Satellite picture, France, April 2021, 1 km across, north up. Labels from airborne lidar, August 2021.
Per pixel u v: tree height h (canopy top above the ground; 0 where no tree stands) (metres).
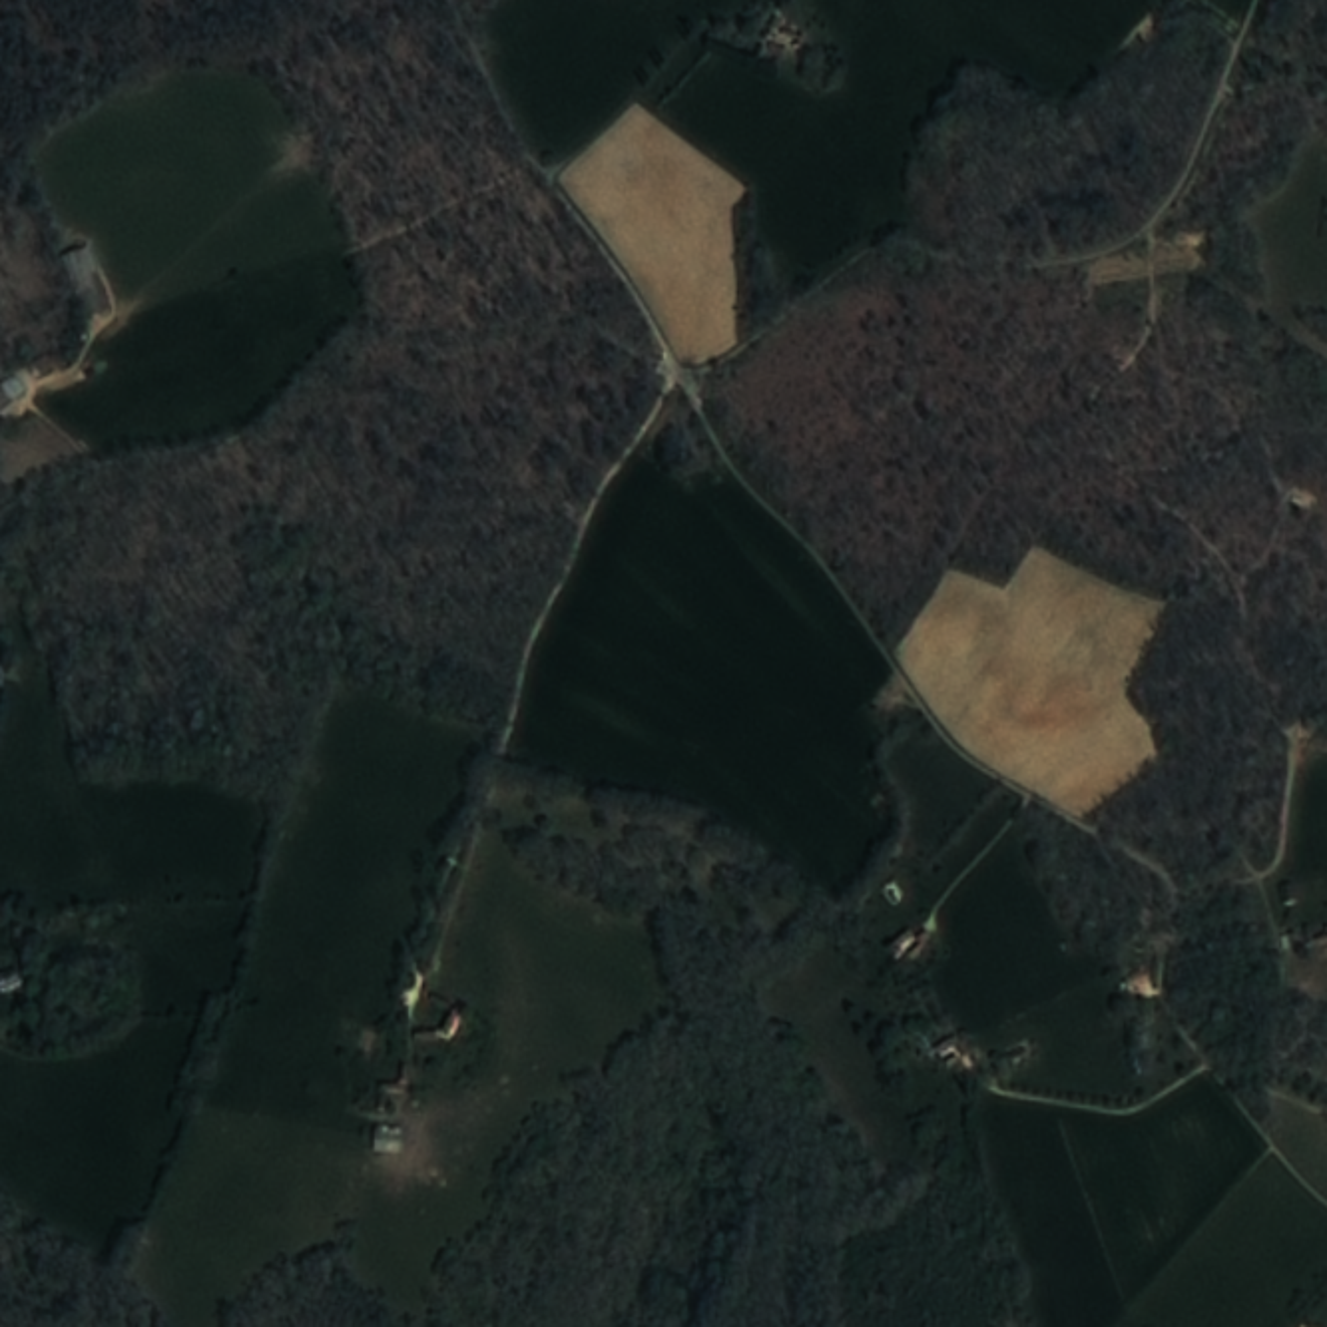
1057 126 18
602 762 0
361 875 0
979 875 0
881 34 0
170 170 0
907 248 23
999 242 12
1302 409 16
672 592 0
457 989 0
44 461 0
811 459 9
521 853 21
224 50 23
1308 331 23
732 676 0
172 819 0
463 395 10
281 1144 0
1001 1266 7
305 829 0
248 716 25
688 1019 28
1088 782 0
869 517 7
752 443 10
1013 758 0
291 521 17
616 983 0
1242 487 15
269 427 20
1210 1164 0
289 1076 0
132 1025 17
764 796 0
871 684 0
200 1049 6
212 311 0
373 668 11
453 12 12
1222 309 19
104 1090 0
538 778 14
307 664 21
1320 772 0
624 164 0
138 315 0
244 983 8
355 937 0
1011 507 10
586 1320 18
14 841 0
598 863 19
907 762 0
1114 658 0
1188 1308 0
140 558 16
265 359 0
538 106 0
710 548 0
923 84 0
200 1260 0
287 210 0
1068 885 16
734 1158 14
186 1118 7
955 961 0
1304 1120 0
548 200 24
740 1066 28
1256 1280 0
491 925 0
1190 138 13
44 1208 0
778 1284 25
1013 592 0
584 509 23
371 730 0
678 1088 24
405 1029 6
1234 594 7
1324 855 0
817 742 0
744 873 21
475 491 8
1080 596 0
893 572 7
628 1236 20
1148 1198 0
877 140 0
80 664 24
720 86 0
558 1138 18
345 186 11
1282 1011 16
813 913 21
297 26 24
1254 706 10
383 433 20
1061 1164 0
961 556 7
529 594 21
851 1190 18
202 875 0
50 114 21
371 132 25
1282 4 14
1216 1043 17
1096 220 25
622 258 0
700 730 0
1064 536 8
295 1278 21
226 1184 0
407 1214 0
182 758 26
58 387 0
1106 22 0
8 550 28
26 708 0
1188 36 21
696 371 16
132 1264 18
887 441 6
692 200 0
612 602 0
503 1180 10
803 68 13
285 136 0
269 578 21
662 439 0
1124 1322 0
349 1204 0
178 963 0
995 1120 0
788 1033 13
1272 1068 23
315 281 0
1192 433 12
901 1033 7
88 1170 0
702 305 0
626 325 12
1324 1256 0
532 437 15
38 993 16
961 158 13
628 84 0
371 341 19
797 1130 24
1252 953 17
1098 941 9
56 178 0
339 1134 0
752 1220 24
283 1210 0
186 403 0
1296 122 11
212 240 0
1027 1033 0
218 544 22
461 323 10
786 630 0
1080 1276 0
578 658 0
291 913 0
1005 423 10
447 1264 13
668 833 21
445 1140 0
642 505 0
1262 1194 0
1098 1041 0
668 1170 13
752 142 0
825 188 0
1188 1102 0
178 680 26
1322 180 0
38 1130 0
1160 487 8
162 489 21
